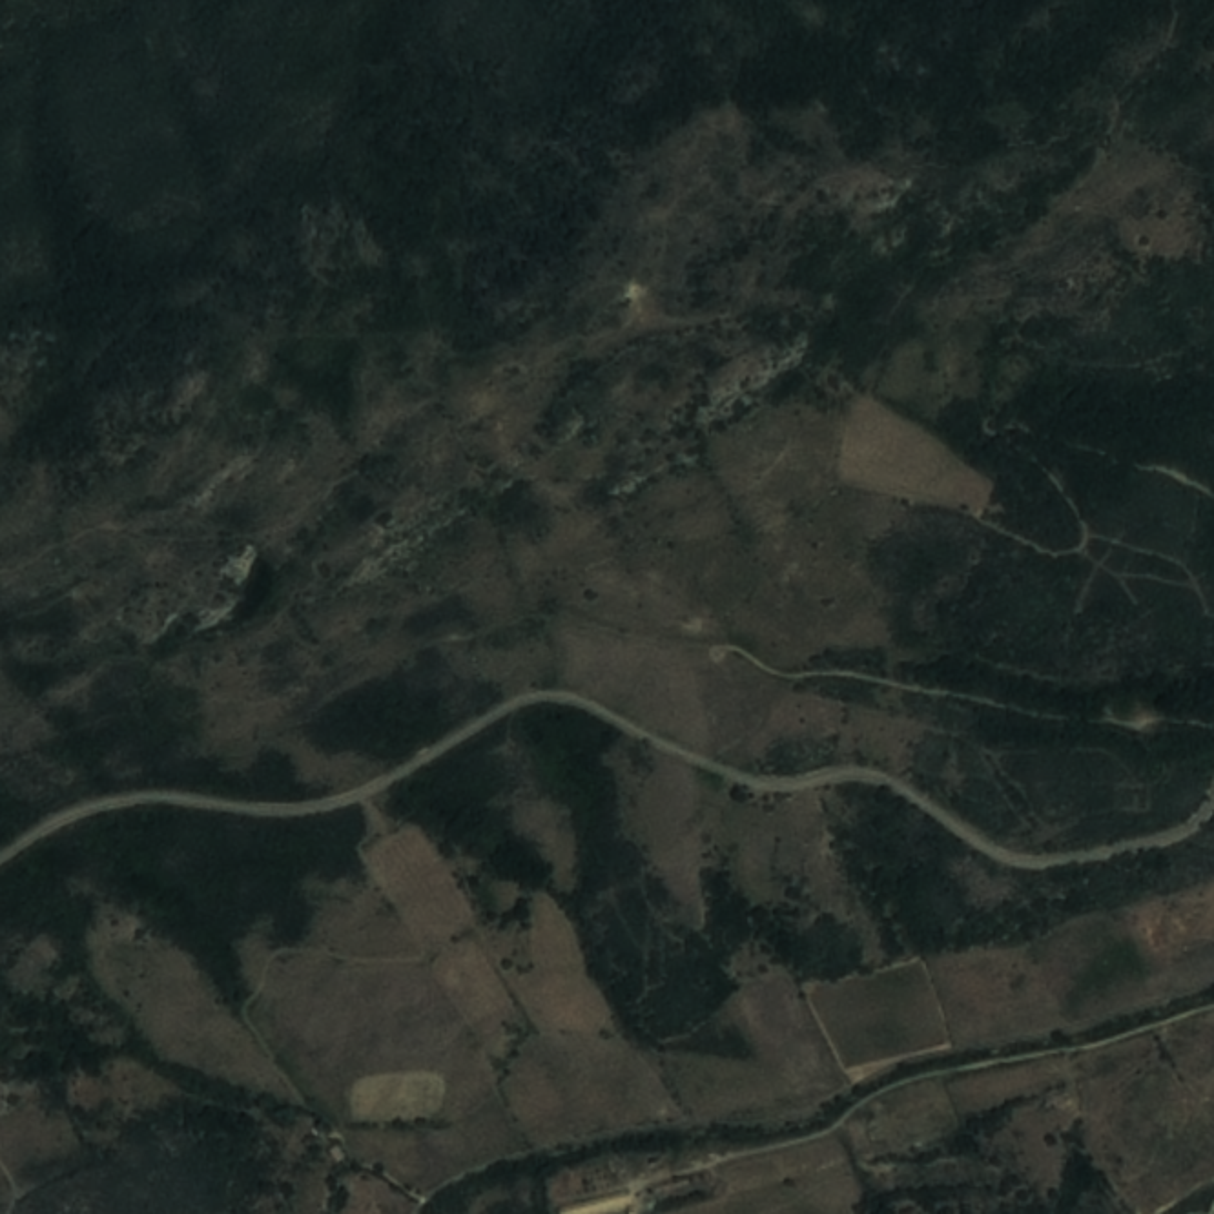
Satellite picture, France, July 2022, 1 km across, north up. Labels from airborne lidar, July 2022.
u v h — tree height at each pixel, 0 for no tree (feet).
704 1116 0
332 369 18
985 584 19
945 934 24
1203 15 26
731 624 0
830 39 24
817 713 0
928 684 23
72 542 0
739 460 0
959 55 23
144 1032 0
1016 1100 23
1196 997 23
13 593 0
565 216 28
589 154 20
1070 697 43
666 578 0
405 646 0
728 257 20
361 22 18
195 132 22
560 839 0
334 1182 30
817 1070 0
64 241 24
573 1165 27
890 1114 0
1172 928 0
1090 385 28
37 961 0
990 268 0
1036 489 22
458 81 22
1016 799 27
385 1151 0
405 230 20
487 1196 0
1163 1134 0
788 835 0
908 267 22
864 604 0
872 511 0
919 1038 0
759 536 0
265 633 0
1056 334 20
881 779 0
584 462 0
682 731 0
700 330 19
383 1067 0
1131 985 0
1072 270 0
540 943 0
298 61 18
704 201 0
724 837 0
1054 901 21
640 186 0
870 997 0
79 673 0
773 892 0
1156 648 24
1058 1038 30
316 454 0
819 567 0
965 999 0
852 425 0
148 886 25
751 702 0
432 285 22
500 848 32
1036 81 17
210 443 0
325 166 27
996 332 20
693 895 0
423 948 0
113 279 32
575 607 0
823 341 24
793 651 0
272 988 0
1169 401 33
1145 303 23
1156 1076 0
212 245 20
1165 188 0
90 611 0
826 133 0
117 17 30
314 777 0
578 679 0
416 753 0
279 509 0
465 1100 0
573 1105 0
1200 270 20
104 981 0
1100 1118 0
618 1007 21
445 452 0
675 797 0
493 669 0
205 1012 0
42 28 23
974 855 23
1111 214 0
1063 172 19
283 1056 0
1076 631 19
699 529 0
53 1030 24
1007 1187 24
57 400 18
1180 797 0
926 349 0
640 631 0
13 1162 0
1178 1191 0
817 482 0
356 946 0
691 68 20
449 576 0
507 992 0
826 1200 0
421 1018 0
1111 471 24
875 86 19
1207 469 21
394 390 0
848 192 0
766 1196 0
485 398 0
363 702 18
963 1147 21
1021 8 19
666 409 0
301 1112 41
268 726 0
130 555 0
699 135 0
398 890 0
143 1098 0
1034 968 0
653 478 19
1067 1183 33
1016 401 20
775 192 0
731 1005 0
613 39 22
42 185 24
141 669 0
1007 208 19
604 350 0
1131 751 24
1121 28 22
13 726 0
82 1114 27
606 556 0
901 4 19
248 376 0
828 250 20
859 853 25
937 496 0
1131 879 21
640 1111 0
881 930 20
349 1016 0
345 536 0
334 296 21
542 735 26
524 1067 0
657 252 0
